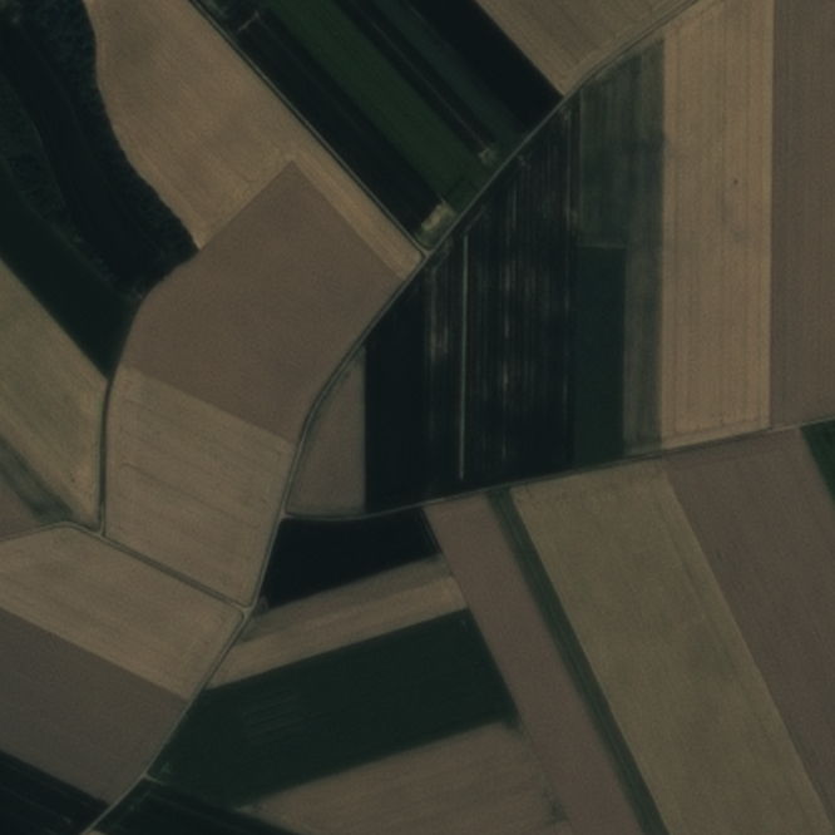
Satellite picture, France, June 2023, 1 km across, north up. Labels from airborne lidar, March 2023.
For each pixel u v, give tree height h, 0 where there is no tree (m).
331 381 0
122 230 0
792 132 0
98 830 0
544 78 0
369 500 0
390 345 0
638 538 0
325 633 0
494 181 0
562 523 0
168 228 16
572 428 0
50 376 0
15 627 0
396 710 0
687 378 0
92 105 18
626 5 0
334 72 0
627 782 0
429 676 0
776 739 0
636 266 0
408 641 0
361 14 0
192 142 0
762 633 0
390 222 0
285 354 0
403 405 0
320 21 0
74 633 0
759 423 0
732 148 0
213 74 0
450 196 0
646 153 0
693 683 0
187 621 0
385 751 0
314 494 0
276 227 0
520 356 0
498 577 0
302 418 0
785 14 0
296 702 0
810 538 0
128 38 0
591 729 0
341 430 0
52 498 0
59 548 0
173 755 0
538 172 0
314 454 0
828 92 0
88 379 0
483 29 0
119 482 0
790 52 0
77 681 0
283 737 0
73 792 0
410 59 0
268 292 0
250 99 0
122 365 0
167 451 0
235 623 0
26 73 0
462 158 0
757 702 0
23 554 0
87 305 0
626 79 0
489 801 0
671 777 0
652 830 0
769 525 0
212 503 0
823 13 0
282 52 0
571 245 0
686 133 0
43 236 0
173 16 0
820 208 0
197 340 0
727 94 0
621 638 0
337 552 0
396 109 0
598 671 0
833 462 0
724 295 0
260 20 0
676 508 0
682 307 0
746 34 0
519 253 0
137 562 0
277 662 0
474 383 0
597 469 0
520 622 0
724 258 0
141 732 0
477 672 0
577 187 0
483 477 0
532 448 0
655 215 0
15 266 0
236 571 0
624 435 0
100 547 0
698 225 0
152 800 0
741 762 0
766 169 0
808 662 0
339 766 0
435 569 0
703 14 0
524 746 0
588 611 0
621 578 0
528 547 0
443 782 0
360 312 0
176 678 0
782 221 0
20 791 0
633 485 0
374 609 0
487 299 0
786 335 0
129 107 0
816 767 0
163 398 0
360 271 0
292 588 0
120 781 0
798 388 0
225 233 0
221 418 0
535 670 0
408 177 0
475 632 0
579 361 0
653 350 0
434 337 0
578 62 0
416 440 0
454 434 0
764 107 0
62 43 19
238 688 0
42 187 14
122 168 15
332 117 0
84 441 0
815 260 0
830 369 0
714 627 0
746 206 0
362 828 0
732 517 0
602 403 0
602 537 0
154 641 0
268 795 0
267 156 0
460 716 0
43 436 0
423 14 0
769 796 0
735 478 0
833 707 0
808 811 0
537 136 0
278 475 0
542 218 0
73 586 0
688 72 0
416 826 0
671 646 0
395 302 0
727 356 0
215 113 0
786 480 0
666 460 0
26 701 0
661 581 0
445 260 0
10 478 0
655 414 0
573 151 0
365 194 0
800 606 0
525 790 0
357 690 0
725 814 0
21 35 0
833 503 0
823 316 0
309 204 0
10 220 0
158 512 0
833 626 0
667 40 0
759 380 0
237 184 0
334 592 0
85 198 0
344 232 0
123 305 0
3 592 0
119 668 0
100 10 0
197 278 0
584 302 0
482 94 0
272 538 0
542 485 0
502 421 0
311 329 0
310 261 0
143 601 0
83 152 0
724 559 0
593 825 0
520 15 0
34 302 0
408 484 0
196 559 0
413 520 0
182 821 0
